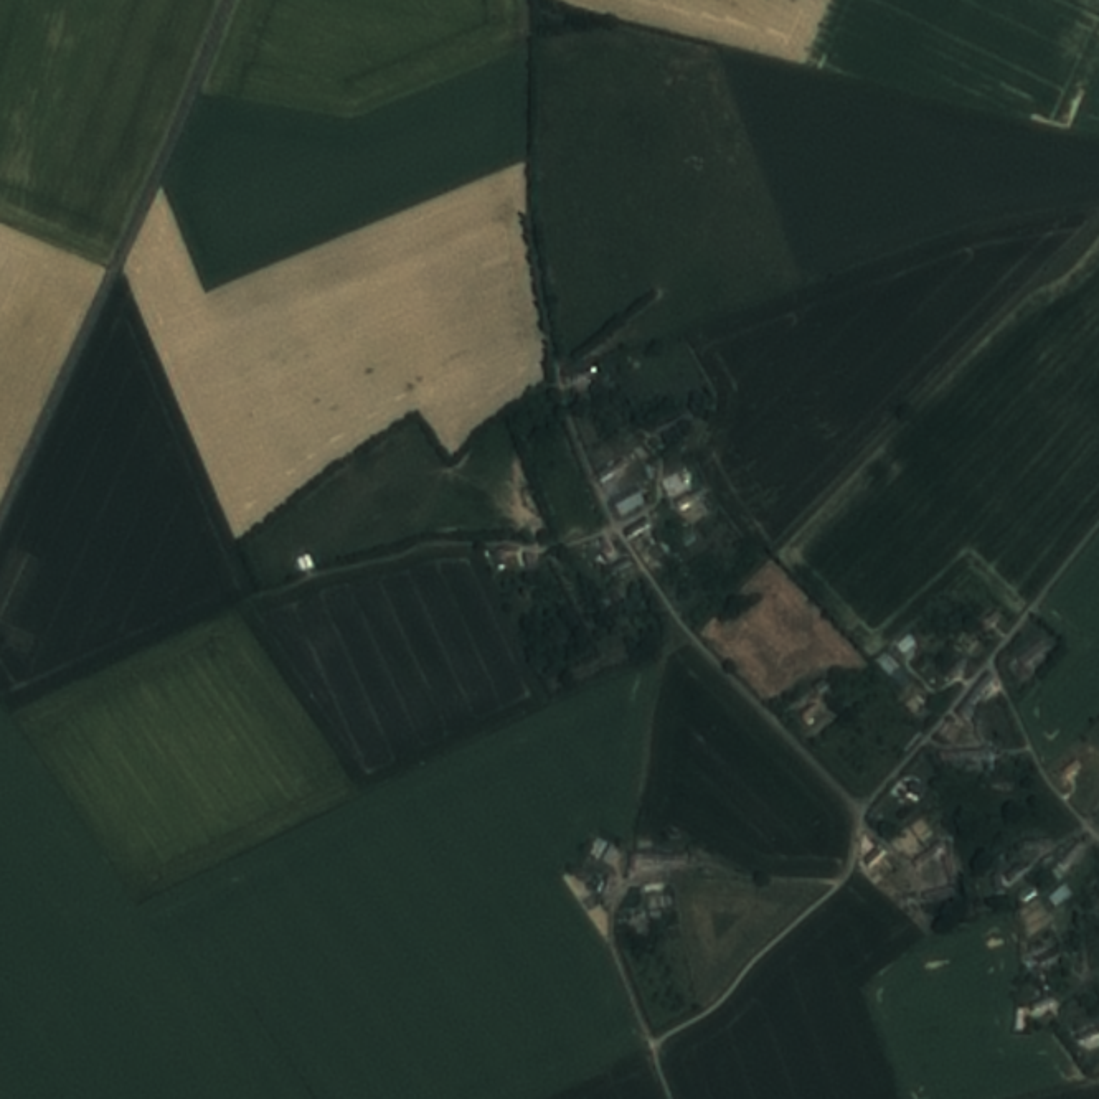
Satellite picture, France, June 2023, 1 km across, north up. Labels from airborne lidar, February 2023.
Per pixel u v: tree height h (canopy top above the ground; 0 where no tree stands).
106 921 0
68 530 0
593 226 0
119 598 0
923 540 0
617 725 0
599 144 0
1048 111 0
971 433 0
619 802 0
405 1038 0
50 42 0
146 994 0
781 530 0
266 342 0
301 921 0
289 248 0
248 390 0
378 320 0
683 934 0
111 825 0
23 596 0
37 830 0
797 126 0
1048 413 0
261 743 0
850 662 0
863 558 0
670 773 0
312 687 0
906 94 0
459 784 0
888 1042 0
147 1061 0
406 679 0
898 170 0
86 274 0
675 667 0
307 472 0
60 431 0
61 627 0
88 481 0
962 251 0
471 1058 0
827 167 0
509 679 0
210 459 0
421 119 0
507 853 0
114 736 0
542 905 0
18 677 0
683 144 0
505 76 0
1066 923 0
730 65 0
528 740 0
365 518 0
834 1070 0
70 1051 0
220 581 0
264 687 0
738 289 0
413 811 0
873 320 0
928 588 0
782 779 0
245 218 0
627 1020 0
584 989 0
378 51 0
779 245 0
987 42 0
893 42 0
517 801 0
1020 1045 0
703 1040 0
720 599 5
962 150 0
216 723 0
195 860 0
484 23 0
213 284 0
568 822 0
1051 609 0
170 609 0
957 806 0
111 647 0
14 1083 0
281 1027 0
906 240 0
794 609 0
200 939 0
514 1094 0
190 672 0
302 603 0
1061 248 0
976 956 0
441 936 0
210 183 0
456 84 0
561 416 14
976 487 0
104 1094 0
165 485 0
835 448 0
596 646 8
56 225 0
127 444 0
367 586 0
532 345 0
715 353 0
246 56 0
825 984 0
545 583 11
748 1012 0
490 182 0
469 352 0
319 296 0
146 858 0
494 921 0
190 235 0
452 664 0
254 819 0
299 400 0
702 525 7
